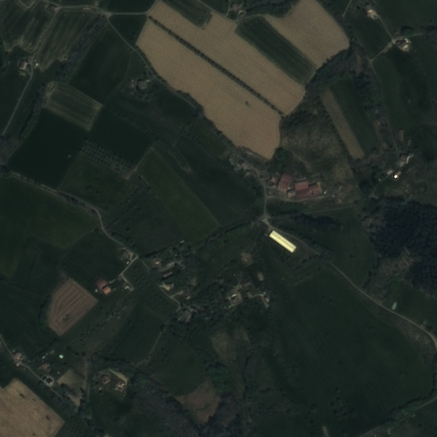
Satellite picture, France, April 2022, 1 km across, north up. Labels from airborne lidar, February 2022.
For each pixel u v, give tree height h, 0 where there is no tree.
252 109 0
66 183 0
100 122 0
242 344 0
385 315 0
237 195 0
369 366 0
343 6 0
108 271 0
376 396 0
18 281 0
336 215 0
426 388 0
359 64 33
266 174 0
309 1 0
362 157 0
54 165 0
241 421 18
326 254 20
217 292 15
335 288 0
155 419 16
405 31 20
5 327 0
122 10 0
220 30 0
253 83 0
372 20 0
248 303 10
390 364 0
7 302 0
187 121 0
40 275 0
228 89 0
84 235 0
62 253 0
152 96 13
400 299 0
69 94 0
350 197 0
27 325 0
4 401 0
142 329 0
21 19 0
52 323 0
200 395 0
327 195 0
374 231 19
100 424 0
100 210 0
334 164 0
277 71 0
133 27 0
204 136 0
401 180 0
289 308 0
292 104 0
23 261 0
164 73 0
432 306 0
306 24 0
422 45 0
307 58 0
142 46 0
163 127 0
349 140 0
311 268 0
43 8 0
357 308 0
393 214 17
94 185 0
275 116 0
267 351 0
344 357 0
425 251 27
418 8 0
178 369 0
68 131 0
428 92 0
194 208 0
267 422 0
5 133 0
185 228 0
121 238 13
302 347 0
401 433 0
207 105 0
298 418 0
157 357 0
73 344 0
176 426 35
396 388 0
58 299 0
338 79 25
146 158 0
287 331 0
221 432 36
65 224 0
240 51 0
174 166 0
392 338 0
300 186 0
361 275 0
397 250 22
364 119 0
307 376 0
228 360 0
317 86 24
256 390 26
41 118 0
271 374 0
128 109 0
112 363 18
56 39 0
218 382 18
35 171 0
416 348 0
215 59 0
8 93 0
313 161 0
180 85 0
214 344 0
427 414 0
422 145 0
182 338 6
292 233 10
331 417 0
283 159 10
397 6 0
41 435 0
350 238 0
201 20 0
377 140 0
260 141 0
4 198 0
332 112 0
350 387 0
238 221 0
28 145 0
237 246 0
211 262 0
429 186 0
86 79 0
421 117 0
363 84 25
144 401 28
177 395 0
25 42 0
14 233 0
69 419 0
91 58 0
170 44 0
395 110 0
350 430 0
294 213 18
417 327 0
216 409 0
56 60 0
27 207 0
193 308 10
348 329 0
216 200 0
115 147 0
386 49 0
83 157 0
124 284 0
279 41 0
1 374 0
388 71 0
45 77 0
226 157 0
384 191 0
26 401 0
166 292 0
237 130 0
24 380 0
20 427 0
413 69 0
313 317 0
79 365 0
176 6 0
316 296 0
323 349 0
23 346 0
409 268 19
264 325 0
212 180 0
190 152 0
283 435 0
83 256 0
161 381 0
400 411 7
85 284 0
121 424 0
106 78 0
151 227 0
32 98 0
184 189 0
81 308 0
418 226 22
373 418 0
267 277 6
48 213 0
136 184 0
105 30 0
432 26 0
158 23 11
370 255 0
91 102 0
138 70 0
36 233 0
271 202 0
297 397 0
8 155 24
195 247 0
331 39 0
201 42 0
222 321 23
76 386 0
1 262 0
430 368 0
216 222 0
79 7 0
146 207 0
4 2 0
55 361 0
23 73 0
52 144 0
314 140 0
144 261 13
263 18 0
